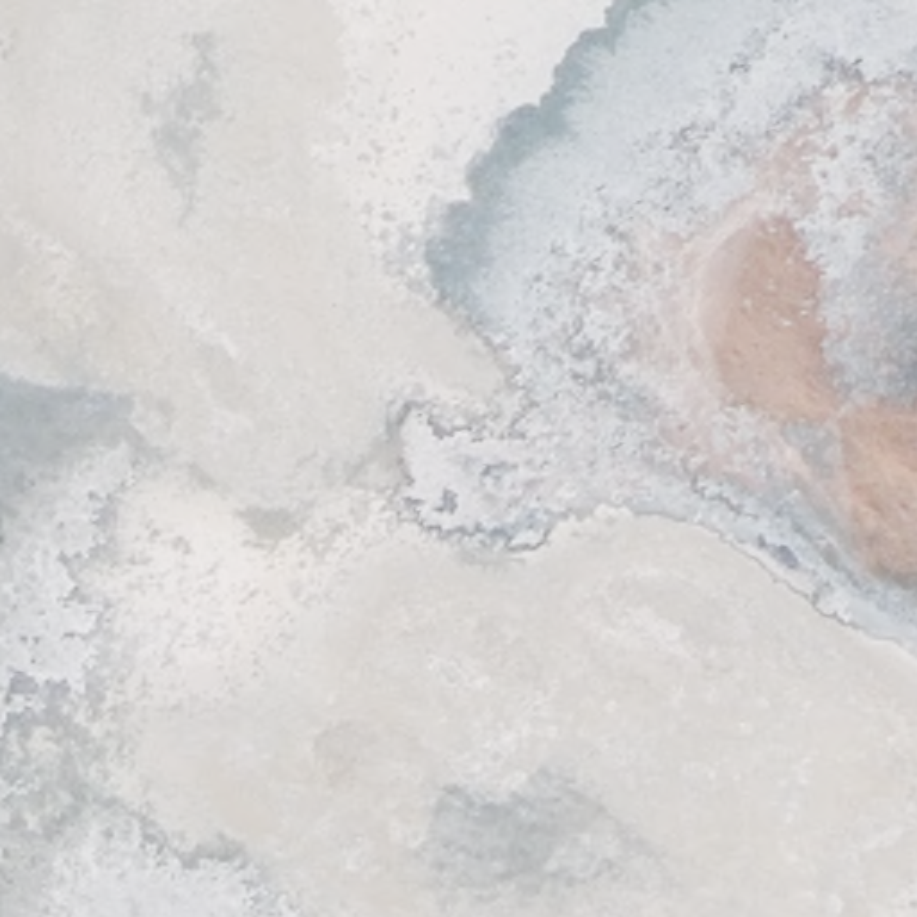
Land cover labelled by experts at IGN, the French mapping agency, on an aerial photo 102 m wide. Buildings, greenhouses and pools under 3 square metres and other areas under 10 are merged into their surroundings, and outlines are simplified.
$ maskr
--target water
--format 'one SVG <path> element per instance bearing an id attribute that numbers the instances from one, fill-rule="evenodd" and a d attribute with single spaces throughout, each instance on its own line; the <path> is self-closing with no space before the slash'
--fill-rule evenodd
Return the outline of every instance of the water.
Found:
<path id="1" fill-rule="evenodd" d="M 874 401 L 856 408 L 838 426 L 842 462 L 853 491 L 845 544 L 863 559 L 863 566 L 878 580 L 910 591 L 917 602 L 917 405 L 903 412 L 881 408 Z"/>
<path id="2" fill-rule="evenodd" d="M 820 319 L 820 265 L 806 258 L 806 240 L 792 226 L 792 219 L 774 215 L 749 226 L 741 269 L 734 290 L 727 294 L 727 322 L 720 330 L 720 340 L 713 344 L 713 362 L 724 383 L 720 405 L 759 412 L 777 426 L 820 426 L 838 401 L 849 398 L 849 383 L 835 383 L 842 365 L 824 358 L 827 326 Z"/>

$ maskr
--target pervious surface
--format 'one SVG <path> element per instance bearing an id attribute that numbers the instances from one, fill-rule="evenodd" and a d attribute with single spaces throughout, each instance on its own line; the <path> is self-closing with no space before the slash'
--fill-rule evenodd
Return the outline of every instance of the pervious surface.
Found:
<path id="1" fill-rule="evenodd" d="M 759 412 L 720 405 L 724 383 L 713 362 L 713 344 L 720 340 L 720 330 L 727 322 L 727 294 L 734 290 L 741 269 L 749 226 L 774 215 L 792 219 L 792 226 L 806 240 L 806 258 L 820 265 L 820 319 L 827 326 L 824 358 L 842 365 L 835 383 L 849 383 L 849 398 L 838 401 L 820 426 L 777 426 Z M 853 491 L 842 462 L 838 426 L 856 408 L 874 401 L 881 408 L 903 412 L 917 405 L 917 0 L 0 0 L 0 917 L 917 917 L 917 602 L 910 591 L 878 580 L 863 566 L 863 559 L 845 544 Z"/>

